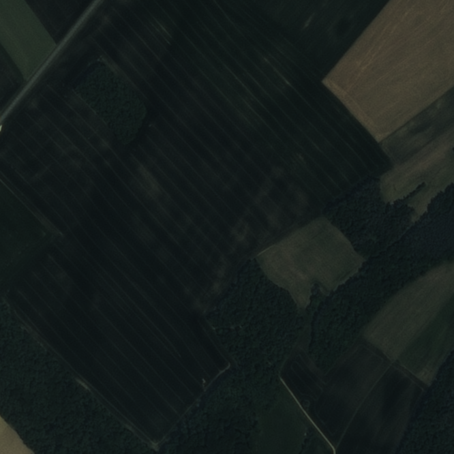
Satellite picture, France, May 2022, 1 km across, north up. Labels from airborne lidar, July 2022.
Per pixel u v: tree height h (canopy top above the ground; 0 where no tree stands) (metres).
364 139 0
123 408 0
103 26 0
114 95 27
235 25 0
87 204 0
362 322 15
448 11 0
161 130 0
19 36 0
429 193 0
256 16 0
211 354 0
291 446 0
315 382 0
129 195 0
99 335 0
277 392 21
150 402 0
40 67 0
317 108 0
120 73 0
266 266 0
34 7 0
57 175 0
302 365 0
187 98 0
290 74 0
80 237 0
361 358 0
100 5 0
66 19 0
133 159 0
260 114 0
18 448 0
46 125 0
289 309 14
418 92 0
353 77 0
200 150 0
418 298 0
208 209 0
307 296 0
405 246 16
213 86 0
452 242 13
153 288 0
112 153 0
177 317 0
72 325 0
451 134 0
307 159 0
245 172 0
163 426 0
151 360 0
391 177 0
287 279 0
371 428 0
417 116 0
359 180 0
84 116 0
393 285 17
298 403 0
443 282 0
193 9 0
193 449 26
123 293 0
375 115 0
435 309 0
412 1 0
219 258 0
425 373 0
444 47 0
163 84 0
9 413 19
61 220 0
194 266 0
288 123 0
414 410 0
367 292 19
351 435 0
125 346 0
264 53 0
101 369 0
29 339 26
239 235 0
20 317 0
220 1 0
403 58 0
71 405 30
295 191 0
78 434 28
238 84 0
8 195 0
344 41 0
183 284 0
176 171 0
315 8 0
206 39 0
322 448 0
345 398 0
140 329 0
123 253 0
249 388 31
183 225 0
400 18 0
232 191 0
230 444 27
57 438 34
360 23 0
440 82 0
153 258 0
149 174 0
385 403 0
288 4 0
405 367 0
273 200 0
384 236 19
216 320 17
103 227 0
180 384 0
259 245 0
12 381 27
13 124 0
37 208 0
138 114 22
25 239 0
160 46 0
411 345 0
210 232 0
